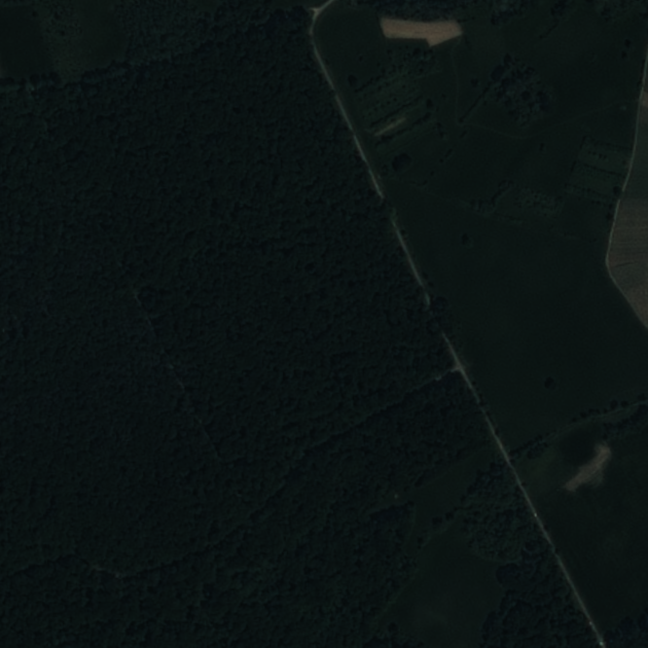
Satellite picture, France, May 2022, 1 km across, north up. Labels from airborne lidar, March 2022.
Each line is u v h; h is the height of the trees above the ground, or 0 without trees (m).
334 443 25
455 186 0
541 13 0
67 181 28
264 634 30
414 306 25
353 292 31
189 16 12
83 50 0
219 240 26
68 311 28
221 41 20
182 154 30
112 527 24
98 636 29
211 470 28
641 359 0
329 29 0
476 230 0
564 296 0
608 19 12
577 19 0
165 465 29
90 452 26
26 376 25
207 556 29
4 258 27
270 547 34
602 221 0
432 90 0
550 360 0
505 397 0
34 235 25
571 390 0
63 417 27
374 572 32
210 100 33
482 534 12
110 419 29
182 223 28
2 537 25
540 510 0
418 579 0
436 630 0
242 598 25
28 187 29
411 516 18
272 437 30
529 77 16
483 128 0
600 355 0
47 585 25
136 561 23
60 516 22
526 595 26
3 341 22
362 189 26
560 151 0
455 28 0
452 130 0
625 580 0
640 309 0
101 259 25
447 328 24
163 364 25
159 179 30
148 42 19
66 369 30
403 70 7
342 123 22
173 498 28
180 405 27
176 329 29
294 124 30
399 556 21
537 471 0
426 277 16
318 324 29
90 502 26
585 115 0
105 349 26
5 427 30
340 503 27
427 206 0
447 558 0
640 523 0
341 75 0
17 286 26
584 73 0
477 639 0
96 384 27
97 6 0
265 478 27
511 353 0
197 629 28
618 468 0
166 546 26
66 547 24
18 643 25
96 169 29
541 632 33
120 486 27
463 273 0
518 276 0
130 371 25
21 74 0
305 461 30
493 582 0
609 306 0
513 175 0
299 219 29
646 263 0
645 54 0
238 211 31
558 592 28
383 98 0
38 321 24
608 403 0
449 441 28
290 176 31
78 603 27
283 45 30
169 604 29
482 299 0
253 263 27
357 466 29
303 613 29
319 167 30
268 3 17
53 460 27
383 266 29
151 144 31
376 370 26
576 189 6
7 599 26
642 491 0
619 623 0
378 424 25
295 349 29
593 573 0
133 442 29
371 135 0
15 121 29
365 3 8
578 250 0
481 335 0
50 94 26
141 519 25
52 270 26
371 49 0
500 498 22
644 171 0
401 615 0
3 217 25
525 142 0
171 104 34
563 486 0
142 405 29
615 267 0
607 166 0
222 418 30
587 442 0
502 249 0
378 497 13
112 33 0
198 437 32
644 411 18
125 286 28
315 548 28
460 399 26
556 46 0
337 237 26
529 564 16
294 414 31
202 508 28
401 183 0
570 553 0
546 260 0
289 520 28
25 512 25
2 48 0
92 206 29
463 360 0
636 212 0
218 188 32
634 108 0
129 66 16
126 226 27
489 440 9
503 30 0
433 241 0
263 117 32
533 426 0
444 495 0
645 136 0
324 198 28
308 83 31
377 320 29
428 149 0
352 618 26
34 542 21
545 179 0
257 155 30
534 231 0
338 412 29
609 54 0
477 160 0
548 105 27
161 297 28
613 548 0
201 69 30
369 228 31
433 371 24
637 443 0
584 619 14
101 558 24
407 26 0
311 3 0
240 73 31
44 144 32
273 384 30
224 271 32
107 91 28
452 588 0
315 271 29
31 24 0
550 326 0
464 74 0
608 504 0
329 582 29
